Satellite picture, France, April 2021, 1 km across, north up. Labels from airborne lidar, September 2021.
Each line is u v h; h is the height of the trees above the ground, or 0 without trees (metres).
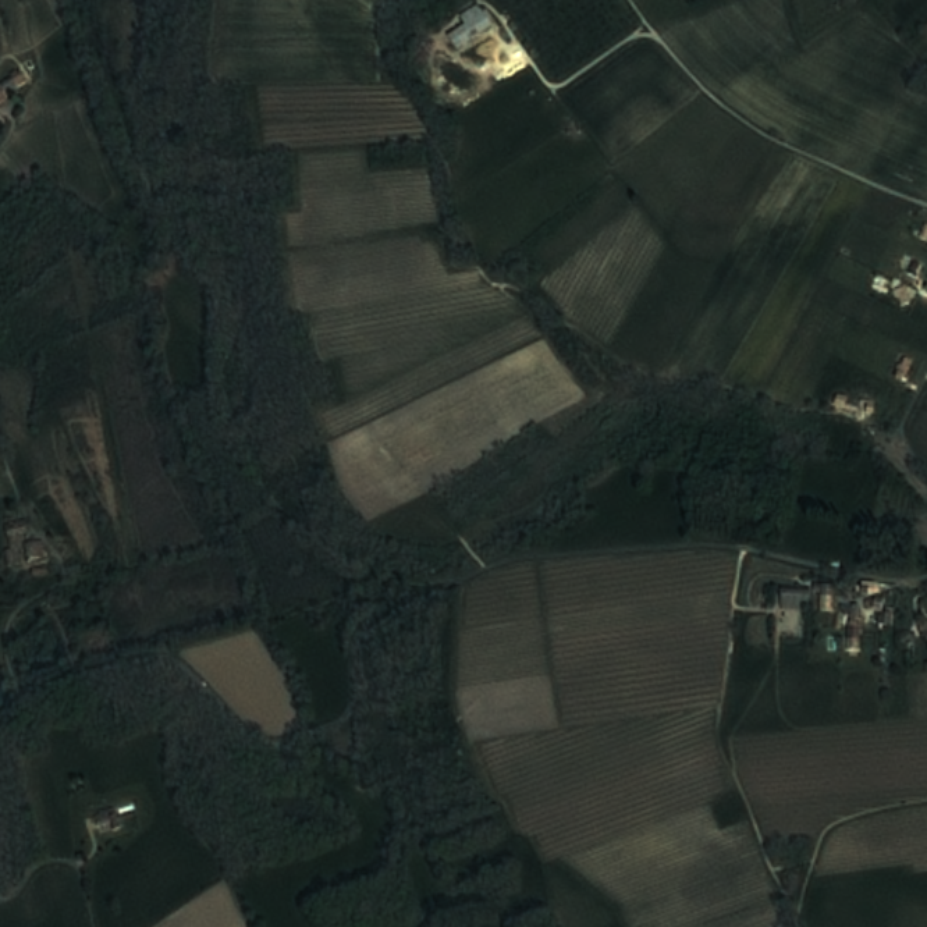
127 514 0
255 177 18
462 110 0
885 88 0
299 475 7
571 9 7
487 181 0
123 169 24
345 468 0
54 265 10
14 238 9
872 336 0
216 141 7
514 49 0
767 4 0
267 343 21
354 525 22
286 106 0
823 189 0
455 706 0
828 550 0
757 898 0
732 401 13
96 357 0
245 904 12
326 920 23
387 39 17
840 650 11
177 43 22
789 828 0
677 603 0
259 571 13
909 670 9
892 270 0
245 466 24
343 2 0
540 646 0
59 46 0
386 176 0
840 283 0
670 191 0
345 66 0
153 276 16
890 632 8
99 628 14
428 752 8
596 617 0
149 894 0
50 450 0
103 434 0
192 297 0
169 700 17
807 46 0
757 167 0
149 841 0
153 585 0
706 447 13
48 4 0
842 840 0
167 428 8
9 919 0
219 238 22
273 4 0
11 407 0
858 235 0
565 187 0
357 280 0
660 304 0
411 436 0
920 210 0
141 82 21
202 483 17
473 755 0
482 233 0
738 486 30
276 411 19
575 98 0
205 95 21
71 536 0
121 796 0
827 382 0
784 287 0
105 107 25
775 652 0
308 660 0
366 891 24
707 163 0
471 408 0
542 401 0
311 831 18
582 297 0
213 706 16
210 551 12
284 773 28
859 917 0
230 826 22
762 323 0
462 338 0
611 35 7
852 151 0
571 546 0
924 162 0
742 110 0
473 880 20
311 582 14
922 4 0
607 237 0
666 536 0
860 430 0
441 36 0
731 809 0
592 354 14
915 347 0
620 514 0
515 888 21
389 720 22
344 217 0
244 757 24
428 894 0
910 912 0
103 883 0
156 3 19
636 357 0
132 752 0
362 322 0
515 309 0
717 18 0
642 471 21
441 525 0
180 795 19
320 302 0
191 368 0
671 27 0
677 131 0
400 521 0
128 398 0
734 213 0
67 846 0
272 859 22
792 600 0
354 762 15
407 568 14
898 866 0
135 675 18
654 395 17
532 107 0
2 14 9
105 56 14
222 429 18
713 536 23
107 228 17
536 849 0
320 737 24
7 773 22
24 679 16
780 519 23
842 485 0
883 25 0
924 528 0
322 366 16
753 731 0
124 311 11
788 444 17
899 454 0
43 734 19
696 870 0
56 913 0
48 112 0
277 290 23
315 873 0
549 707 0
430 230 0
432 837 10
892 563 31
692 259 0
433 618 18
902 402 0
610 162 0
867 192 0
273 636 12
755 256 0
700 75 0
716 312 0
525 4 8
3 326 10
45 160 0
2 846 20
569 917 0
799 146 0
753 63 0
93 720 21
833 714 0
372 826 0
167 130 13
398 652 15
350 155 0
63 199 12
